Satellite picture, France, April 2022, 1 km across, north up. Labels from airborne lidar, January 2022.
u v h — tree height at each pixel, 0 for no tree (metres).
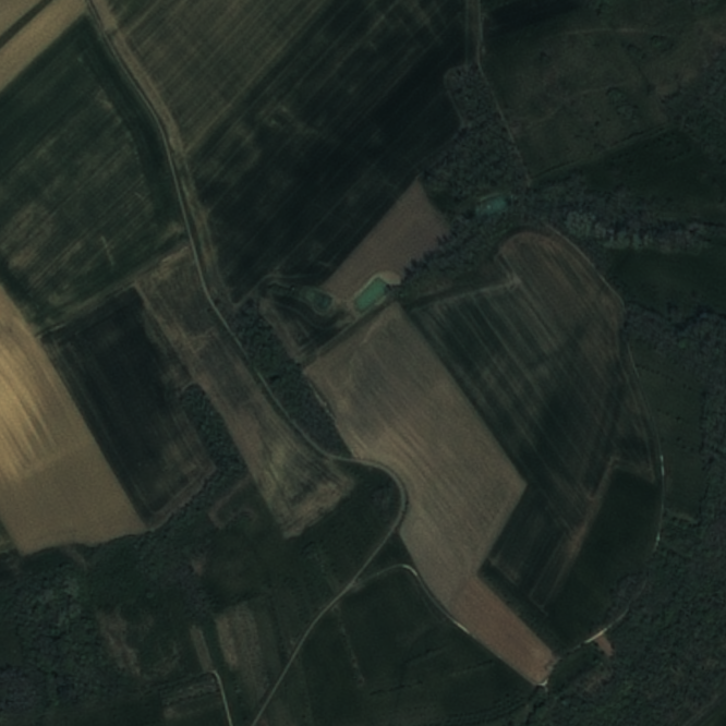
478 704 0
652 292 0
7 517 0
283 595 0
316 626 0
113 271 0
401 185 0
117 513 0
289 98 0
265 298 0
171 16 0
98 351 0
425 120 0
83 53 0
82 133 0
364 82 0
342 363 0
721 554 22
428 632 0
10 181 0
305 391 17
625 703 14
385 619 0
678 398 0
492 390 0
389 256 0
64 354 0
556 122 0
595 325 0
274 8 0
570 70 0
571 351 0
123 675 7
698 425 0
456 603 0
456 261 28
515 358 0
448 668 0
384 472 0
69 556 0
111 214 0
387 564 0
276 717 0
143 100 0
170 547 8
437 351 0
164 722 0
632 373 0
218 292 0
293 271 0
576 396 0
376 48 0
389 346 0
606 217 26
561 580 0
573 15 0
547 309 0
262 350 19
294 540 0
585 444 0
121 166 0
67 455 0
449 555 0
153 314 0
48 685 16
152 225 0
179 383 0
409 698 0
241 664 0
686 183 0
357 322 0
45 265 0
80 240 0
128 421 0
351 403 0
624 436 0
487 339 0
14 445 0
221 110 0
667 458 0
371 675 0
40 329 0
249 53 0
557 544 0
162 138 0
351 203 0
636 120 12
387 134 0
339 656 0
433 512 0
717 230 16
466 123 0
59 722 0
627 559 0
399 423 0
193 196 0
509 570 0
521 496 0
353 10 0
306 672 0
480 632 0
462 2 0
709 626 28
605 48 0
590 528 0
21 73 0
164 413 0
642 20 0
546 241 0
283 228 0
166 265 0
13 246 0
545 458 0
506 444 0
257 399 0
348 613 0
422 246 0
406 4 0
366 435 0
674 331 11
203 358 0
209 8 0
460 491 0
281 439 0
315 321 0
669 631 20
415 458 0
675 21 0
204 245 0
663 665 28
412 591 0
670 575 17
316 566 7
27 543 0
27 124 0
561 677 0
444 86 0
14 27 0
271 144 0
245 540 0
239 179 0
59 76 0
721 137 7
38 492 0
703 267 0
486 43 0
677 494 0
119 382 0
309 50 0
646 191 0
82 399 0
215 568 0
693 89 0
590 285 0
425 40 0
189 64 0
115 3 0
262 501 0
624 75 0
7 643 0
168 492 0
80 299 0
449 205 0
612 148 0
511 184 21
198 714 0
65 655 22
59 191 0
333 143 0
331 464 0
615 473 0
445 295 0
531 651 0
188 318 0
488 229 21
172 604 0
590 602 0
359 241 0
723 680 22
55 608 22
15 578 0
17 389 0
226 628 0
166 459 0
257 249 0
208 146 0
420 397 0
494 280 0
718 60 21
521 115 0
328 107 0
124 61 0
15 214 0
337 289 0
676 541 12
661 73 0
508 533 0
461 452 0
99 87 0
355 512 0
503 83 0
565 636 0
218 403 0
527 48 0
